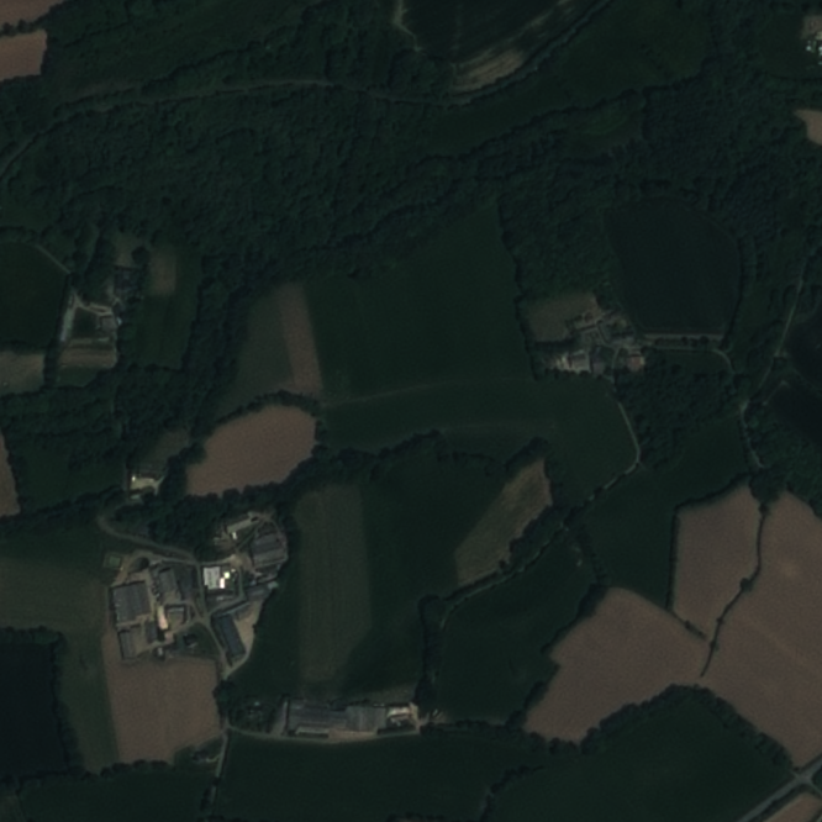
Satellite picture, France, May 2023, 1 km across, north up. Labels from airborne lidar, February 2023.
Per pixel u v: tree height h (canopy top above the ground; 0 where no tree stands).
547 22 0
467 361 0
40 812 0
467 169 22
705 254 0
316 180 10
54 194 11
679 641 0
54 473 0
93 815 0
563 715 0
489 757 0
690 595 0
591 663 0
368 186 8
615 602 0
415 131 11
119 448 20
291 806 0
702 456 0
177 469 22
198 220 7
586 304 0
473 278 0
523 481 0
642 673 0
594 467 0
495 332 0
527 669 0
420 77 10
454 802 0
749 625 0
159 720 0
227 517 24
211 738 0
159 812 0
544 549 7
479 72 0
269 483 0
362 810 0
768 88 9
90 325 0
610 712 0
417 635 0
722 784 0
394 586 0
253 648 0
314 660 0
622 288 0
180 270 0
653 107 25
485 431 0
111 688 0
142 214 6
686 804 0
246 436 0
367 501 0
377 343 0
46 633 14
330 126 10
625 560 0
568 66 0
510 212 15
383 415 0
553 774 0
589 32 10
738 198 27
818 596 0
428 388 0
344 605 0
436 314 0
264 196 20
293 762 0
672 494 0
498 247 0
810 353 0
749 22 13
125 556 0
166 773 12
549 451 15
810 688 0
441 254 0
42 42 0
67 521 22
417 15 0
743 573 0
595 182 8
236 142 19
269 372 0
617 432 0
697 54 0
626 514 0
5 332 0
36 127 15
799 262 9
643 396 7
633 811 0
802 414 0
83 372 0
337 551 0
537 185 14
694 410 18
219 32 0
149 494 0
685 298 0
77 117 12
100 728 0
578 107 11
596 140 0
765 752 19
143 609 0
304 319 0
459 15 0
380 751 0
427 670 12
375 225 6
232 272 26
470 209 20
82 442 14
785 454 20
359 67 12
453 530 0
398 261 19
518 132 16
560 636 7
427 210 20
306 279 18
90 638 0
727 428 0
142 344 0
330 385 0
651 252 0
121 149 12
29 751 0
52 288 0
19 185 10
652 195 18
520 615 0
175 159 17
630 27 0
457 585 0
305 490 14
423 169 18
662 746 0
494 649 0
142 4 17
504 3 0
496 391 0
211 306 22
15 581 0
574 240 20
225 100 7
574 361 0
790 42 0
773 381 0
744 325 0
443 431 0
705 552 0
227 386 16
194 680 0
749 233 21
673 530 8
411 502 0
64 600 0
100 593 0
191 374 23
